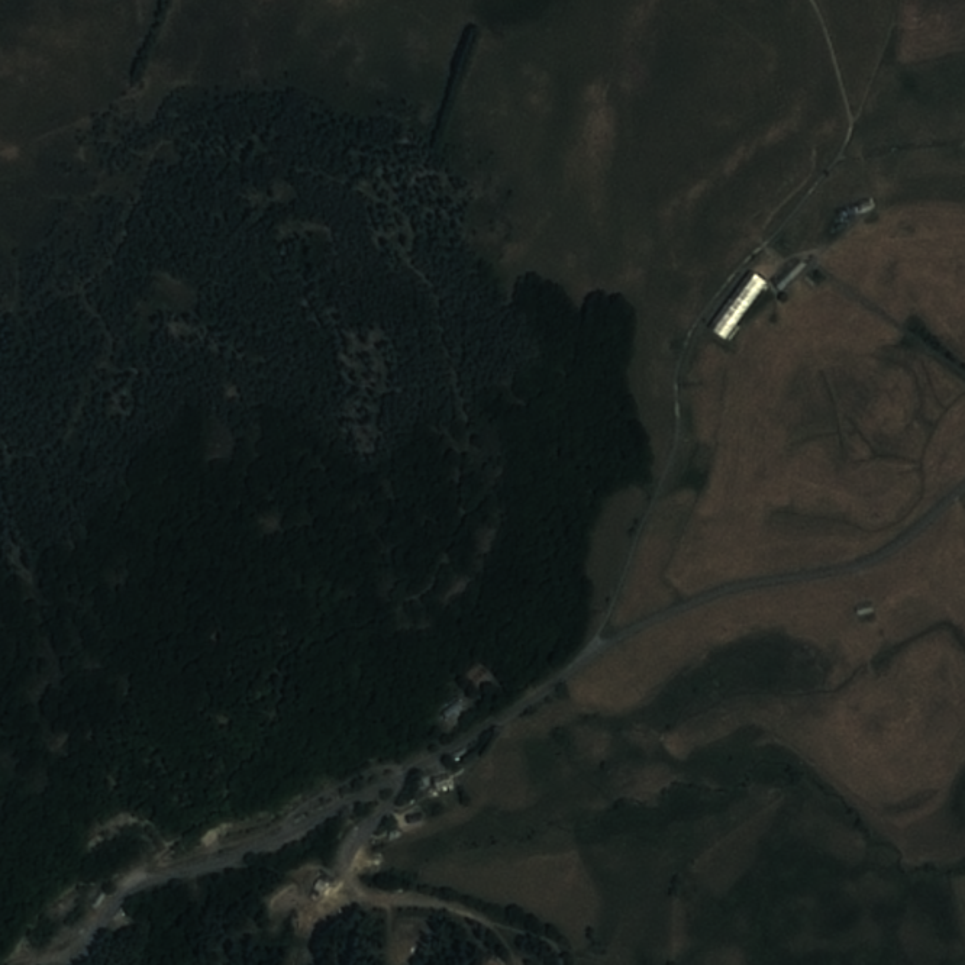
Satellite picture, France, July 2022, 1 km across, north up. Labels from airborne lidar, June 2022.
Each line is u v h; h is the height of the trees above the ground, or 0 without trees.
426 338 15
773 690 0
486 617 16
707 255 0
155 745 17
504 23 0
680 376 0
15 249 6
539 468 14
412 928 0
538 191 0
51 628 14
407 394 14
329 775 14
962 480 0
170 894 17
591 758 0
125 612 12
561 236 0
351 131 6
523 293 14
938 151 0
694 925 0
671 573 0
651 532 0
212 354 13
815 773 0
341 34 0
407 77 0
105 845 7
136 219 11
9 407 11
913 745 0
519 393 10
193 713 16
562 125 0
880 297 0
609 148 0
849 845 0
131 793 11
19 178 0
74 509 7
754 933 0
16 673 12
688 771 0
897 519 0
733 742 0
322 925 12
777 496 0
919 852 0
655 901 0
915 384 0
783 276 0
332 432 8
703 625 0
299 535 10
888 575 0
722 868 0
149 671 12
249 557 14
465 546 12
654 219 0
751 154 0
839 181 0
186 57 0
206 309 10
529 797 0
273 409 10
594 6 0
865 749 0
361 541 12
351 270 8
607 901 0
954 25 0
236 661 17
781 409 0
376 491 10
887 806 0
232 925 20
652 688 0
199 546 12
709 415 0
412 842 0
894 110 0
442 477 11
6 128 0
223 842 0
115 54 0
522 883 0
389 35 0
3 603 10
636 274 0
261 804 11
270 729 14
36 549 14
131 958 16
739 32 0
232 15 0
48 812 14
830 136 0
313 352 14
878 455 0
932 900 0
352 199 12
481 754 13
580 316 12
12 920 17
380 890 8
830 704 0
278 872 13
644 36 0
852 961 0
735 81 0
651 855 0
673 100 0
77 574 7
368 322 14
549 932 12
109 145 7
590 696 0
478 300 14
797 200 0
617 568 0
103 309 10
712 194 0
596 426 14
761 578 0
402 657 14
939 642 0
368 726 18
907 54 0
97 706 14
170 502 13
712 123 0
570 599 18
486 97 0
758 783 0
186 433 12
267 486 7
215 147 19
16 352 13
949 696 0
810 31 0
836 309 0
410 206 14
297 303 12
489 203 0
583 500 15
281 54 0
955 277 0
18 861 13
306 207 9
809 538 0
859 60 0
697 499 0
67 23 0
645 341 0
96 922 0
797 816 0
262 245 13
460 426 12
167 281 0
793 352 0
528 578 17
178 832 12
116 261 8
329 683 15
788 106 0
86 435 10
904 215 0
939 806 0
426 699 17
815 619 0
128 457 11
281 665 11
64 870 12
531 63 0
